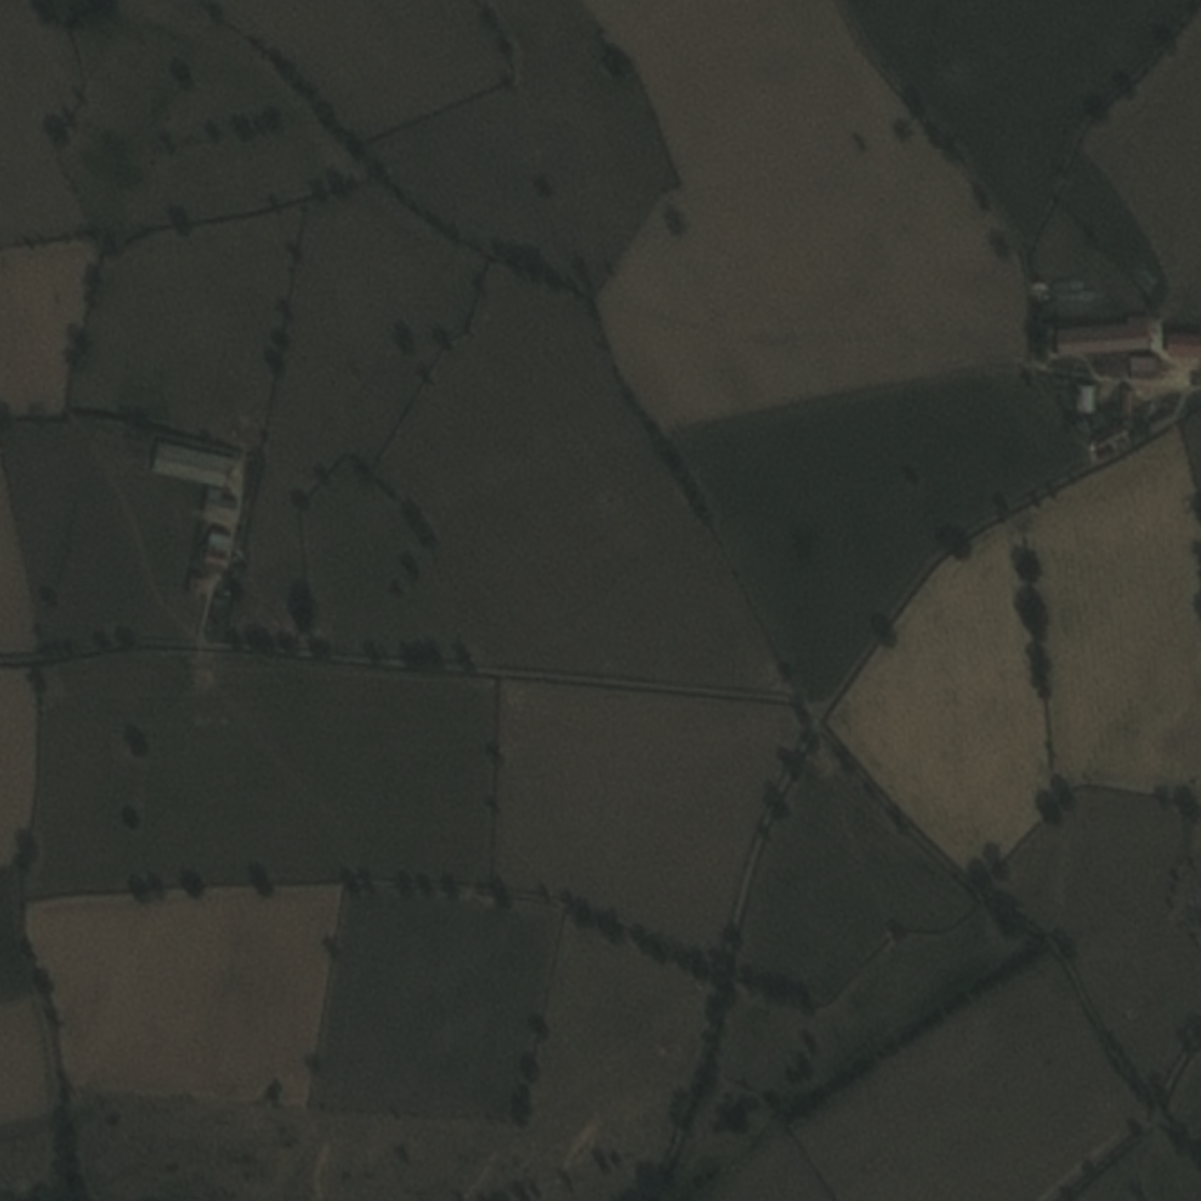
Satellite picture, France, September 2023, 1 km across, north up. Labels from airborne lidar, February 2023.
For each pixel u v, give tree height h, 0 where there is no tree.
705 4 0
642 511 0
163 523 0
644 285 0
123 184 0
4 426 11
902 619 0
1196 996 0
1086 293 0
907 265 0
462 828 0
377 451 0
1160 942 0
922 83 0
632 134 0
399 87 0
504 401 0
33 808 0
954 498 0
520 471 0
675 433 0
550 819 0
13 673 0
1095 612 0
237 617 0
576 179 0
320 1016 0
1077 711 0
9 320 0
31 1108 0
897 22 0
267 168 0
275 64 13
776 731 0
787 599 0
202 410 0
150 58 0
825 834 0
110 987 0
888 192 0
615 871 0
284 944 0
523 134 0
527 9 0
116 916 0
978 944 0
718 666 0
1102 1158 0
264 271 0
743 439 0
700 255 0
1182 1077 0
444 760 0
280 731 0
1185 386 0
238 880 0
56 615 0
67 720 0
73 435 0
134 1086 0
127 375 0
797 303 0
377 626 0
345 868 0
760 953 0
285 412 0
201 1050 0
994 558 0
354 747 0
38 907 0
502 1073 0
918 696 0
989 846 0
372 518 0
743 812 0
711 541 0
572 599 0
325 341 0
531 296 0
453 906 0
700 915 0
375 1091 0
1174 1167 0
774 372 0
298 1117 0
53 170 0
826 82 0
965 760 0
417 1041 0
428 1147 0
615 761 0
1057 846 0
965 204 0
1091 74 0
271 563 0
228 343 0
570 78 0
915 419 0
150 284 0
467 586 0
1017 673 0
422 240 0
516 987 0
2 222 0
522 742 0
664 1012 0
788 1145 0
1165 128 0
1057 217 0
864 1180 0
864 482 0
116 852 0
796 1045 0
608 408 0
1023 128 0
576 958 0
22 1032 0
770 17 0
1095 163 0
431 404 0
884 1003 0
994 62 0
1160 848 0
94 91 0
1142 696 0
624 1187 0
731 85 0
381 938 0
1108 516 0
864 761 0
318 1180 0
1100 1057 0
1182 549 0
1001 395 0
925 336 0
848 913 0
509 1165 0
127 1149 0
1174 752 0
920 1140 0
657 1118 0
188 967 0
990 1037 0
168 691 0
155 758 0
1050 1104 0
